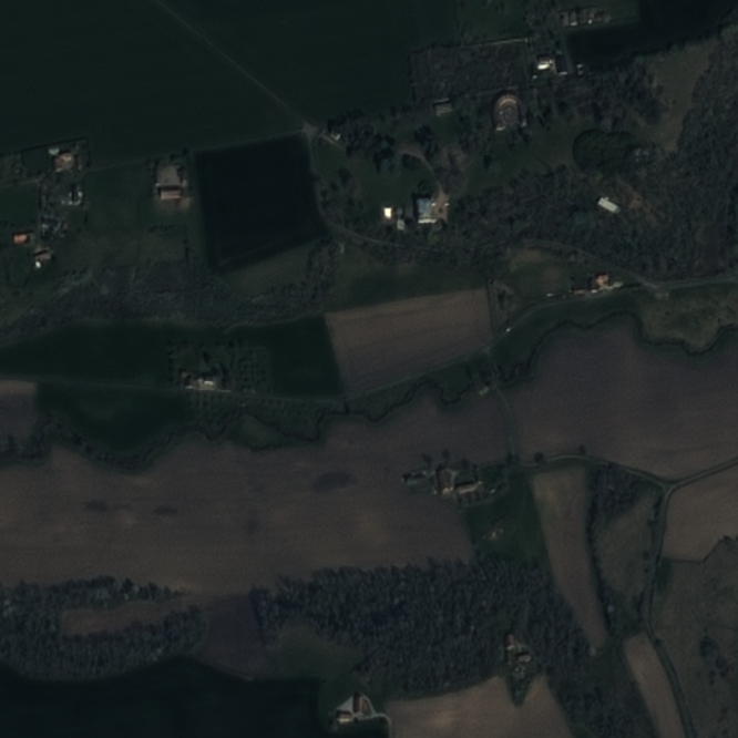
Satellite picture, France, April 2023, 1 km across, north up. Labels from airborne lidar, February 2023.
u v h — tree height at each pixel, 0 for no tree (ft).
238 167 0
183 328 0
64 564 0
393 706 0
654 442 0
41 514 0
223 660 0
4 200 0
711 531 0
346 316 0
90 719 0
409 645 62
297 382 0
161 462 0
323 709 0
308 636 0
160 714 0
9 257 29
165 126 0
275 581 0
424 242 37
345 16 0
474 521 0
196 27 0
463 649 74
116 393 0
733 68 23
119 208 0
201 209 0
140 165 0
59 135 0
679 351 0
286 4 0
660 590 0
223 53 0
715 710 0
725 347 0
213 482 0
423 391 0
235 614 0
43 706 0
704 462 0
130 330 0
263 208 0
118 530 0
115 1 0
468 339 0
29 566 0
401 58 0
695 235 64
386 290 0
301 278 0
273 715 0
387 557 0
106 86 0
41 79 0
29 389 0
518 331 0
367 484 0
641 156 66
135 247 0
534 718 0
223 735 0
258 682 0
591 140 29
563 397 0
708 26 0
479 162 0
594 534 47
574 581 0
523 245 79
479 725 0
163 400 0
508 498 0
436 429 0
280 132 0
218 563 0
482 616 52
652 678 0
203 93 0
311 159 0
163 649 52
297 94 0
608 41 0
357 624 51
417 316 0
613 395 0
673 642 0
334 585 67
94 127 0
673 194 69
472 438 0
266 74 0
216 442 0
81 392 0
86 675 66
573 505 0
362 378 0
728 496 0
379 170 63
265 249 0
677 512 0
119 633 0
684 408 0
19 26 0
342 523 0
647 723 0
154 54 0
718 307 0
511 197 41
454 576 65
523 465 47
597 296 0
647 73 48
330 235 0
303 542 0
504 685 0
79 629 0
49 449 0
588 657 74
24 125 0
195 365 0
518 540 0
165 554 0
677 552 0
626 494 25
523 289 0
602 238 30
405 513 0
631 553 0
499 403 0
